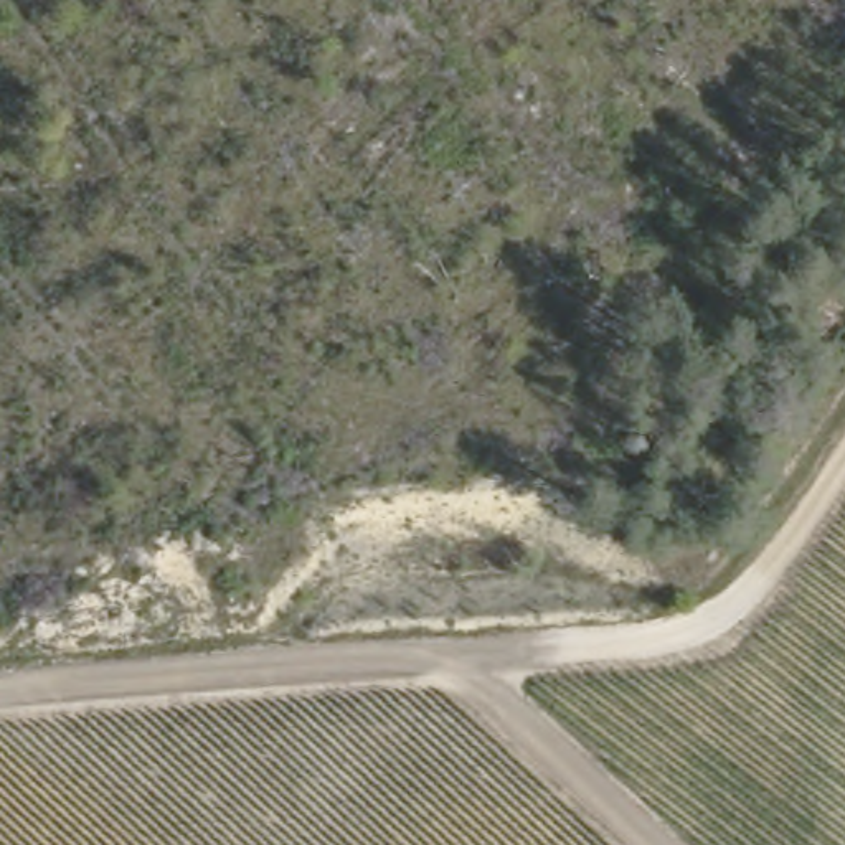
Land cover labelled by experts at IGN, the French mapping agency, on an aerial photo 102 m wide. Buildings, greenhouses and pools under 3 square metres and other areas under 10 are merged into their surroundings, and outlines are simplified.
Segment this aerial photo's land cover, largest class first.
<instances>
[{"label":"coniferous trees","instance_id":"1","mask_svg":"<svg viewBox=\"0 0 845 845\"><path fill-rule=\"evenodd\" d=\"M845 376V0H0V630L17 621L20 607H43L50 597H63L66 591L73 597L96 594L106 581L116 578H142L139 551H158V538L165 535L172 541L205 535L211 541L234 538L241 545H254L274 525H327L340 508L353 505V489L380 485L462 492L479 479H495L502 489L515 495H538V505L548 515L571 522L588 538H611L627 555H637L644 561L677 555L680 545L710 541V535L733 512H739L733 492L753 479L762 439L786 432L795 419V409L809 396H822L832 383Z\"/></svg>","mask_w":845,"mask_h":845},{"label":"vineyard","instance_id":"2","mask_svg":"<svg viewBox=\"0 0 845 845\"><path fill-rule=\"evenodd\" d=\"M525 693L548 716H555L594 756V762H601L611 776L634 789L640 802L650 812H657L687 845H845V495L812 531V541L782 571L762 607H756L746 621H739L716 640L693 647L683 657L667 654L660 660L644 663L630 660L621 670H597L578 663L525 680ZM0 845H611L597 828L584 822L578 809L558 799L528 766H522V759L489 726H482L452 693L436 687L224 700L165 710H96L76 716L59 713L46 720H7L0 713Z\"/></svg>","mask_w":845,"mask_h":845},{"label":"herbaceous vegetation","instance_id":"3","mask_svg":"<svg viewBox=\"0 0 845 845\"><path fill-rule=\"evenodd\" d=\"M845 432V376L832 383L822 396H809L795 409V419L786 432L762 439L753 479L733 492L739 512H733L710 535V541L680 545L677 555L644 561L637 555H627L611 538H588L571 522L548 515L538 505V495H515L502 489L495 479H479L462 492L380 485L353 489V505L340 508L327 525H274L254 545H241L234 538L211 541L205 535L172 541L165 535L158 538V551H139L142 578H116L106 581L96 594L73 597L66 591L63 597H50L43 607H20L17 621L0 630V673L215 654L238 647H294L297 640L314 647H333L389 640L538 637L548 630L624 627L660 621L670 614H687L703 601L723 594L753 564V558L772 541L782 522L792 515V508L799 505V498L805 495V489L812 485V479L819 475V469L825 465L835 442Z\"/></svg>","mask_w":845,"mask_h":845},{"label":"pervious surface","instance_id":"4","mask_svg":"<svg viewBox=\"0 0 845 845\"><path fill-rule=\"evenodd\" d=\"M845 495V432L835 442L825 465L819 469V475L812 479V485L805 489V495L799 498V505L792 508V515L782 522L772 541L753 558V564L723 594L703 601L687 614H670L660 621L624 627L548 630L538 637L389 640L333 647H314L297 640L294 647H238L215 654L0 673V713L7 720H46L59 713L76 716L96 710H165L224 700L436 687L452 693L482 726H489L522 759V766H528L558 799L578 809L584 822L597 828L611 845H687L657 812H650L640 802L634 789L611 776L601 762H594V756L555 716H548L525 693V680L578 663L597 670H621L630 660L644 663L660 660L667 654L683 657L693 647L716 640L739 621H746L756 607H762L782 571L812 541V531Z\"/></svg>","mask_w":845,"mask_h":845}]
</instances>
